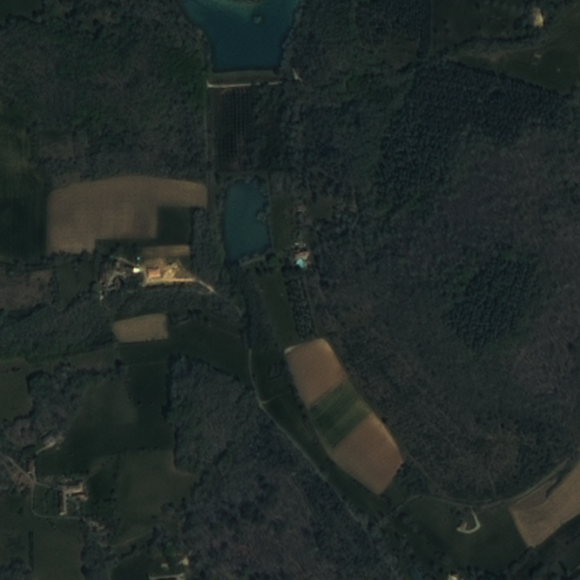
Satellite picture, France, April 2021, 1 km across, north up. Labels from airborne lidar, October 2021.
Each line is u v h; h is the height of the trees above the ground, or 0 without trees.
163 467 0
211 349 0
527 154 16
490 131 23
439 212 16
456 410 11
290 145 21
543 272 19
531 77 0
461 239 15
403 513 0
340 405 0
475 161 20
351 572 20
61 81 20
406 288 18
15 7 0
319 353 0
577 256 15
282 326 0
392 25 14
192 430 22
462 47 12
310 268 10
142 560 0
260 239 0
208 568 13
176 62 20
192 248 15
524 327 24
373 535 21
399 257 14
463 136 23
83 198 0
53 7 18
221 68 0
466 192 13
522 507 0
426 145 22
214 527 20
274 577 13
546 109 21
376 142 13
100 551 12
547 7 20
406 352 12
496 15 0
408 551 18
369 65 21
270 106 10
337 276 14
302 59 12
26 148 0
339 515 19
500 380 21
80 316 20
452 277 21
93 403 0
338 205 13
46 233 0
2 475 21
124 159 15
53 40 20
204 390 21
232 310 24
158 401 0
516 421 9
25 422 14
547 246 13
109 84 17
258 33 0
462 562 0
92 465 0
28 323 24
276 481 15
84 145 10
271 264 18
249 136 7
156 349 0
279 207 0
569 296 16
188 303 11
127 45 21
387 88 18
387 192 19
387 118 20
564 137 23
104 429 0
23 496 6
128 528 0
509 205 20
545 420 15
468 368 17
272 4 0
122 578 0
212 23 0
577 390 14
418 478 7
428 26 16
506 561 0
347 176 17
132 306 18
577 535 0
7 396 0
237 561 9
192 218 16
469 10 0
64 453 0
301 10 9
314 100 17
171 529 0
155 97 17
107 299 9
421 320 17
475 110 21
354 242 20
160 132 12
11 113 17
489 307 21
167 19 21
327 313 11
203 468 22
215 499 19
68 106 25
